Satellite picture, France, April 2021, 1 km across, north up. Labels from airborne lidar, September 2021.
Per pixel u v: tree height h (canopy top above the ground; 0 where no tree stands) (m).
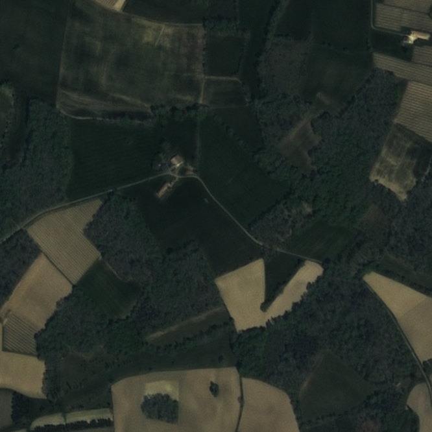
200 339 16
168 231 0
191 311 17
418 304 0
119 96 0
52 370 21
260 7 0
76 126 0
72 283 0
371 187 18
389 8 0
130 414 0
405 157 0
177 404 10
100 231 14
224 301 8
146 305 16
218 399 0
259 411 0
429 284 0
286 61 6
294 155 0
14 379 0
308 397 0
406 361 17
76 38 0
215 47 0
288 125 21
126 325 14
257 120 8
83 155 0
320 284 16
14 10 0
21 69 0
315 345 18
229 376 0
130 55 0
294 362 18
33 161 21
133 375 0
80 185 0
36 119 21
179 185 0
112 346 23
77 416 0
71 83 0
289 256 0
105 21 0
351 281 18
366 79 0
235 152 0
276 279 0
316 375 0
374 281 0
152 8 0
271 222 17
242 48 10
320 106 0
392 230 17
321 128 18
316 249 0
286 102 23
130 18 0
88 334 20
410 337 0
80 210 0
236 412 0
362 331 25
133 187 0
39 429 9
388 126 23
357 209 18
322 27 0
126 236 19
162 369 0
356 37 0
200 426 0
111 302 0
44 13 0
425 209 16
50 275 0
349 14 0
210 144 0
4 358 0
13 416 9
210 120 0
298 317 24
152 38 0
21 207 19
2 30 0
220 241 0
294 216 30
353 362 19
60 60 0
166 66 0
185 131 0
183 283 19
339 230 0
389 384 22
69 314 22
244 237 0
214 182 0
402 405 20
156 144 0
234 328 8
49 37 0
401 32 0
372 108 17
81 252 0
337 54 0
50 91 0
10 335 0
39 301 0
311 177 0
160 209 0
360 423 9
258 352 21
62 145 18
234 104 0
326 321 15
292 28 0
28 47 0
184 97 0
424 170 0
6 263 16
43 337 20
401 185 0
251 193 0
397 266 0
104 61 0
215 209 0
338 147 21
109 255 13
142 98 0
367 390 0
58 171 20
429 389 0
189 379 0
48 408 0
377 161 17
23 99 0
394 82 21
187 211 0
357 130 19
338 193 26
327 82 0
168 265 21
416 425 13
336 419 14
